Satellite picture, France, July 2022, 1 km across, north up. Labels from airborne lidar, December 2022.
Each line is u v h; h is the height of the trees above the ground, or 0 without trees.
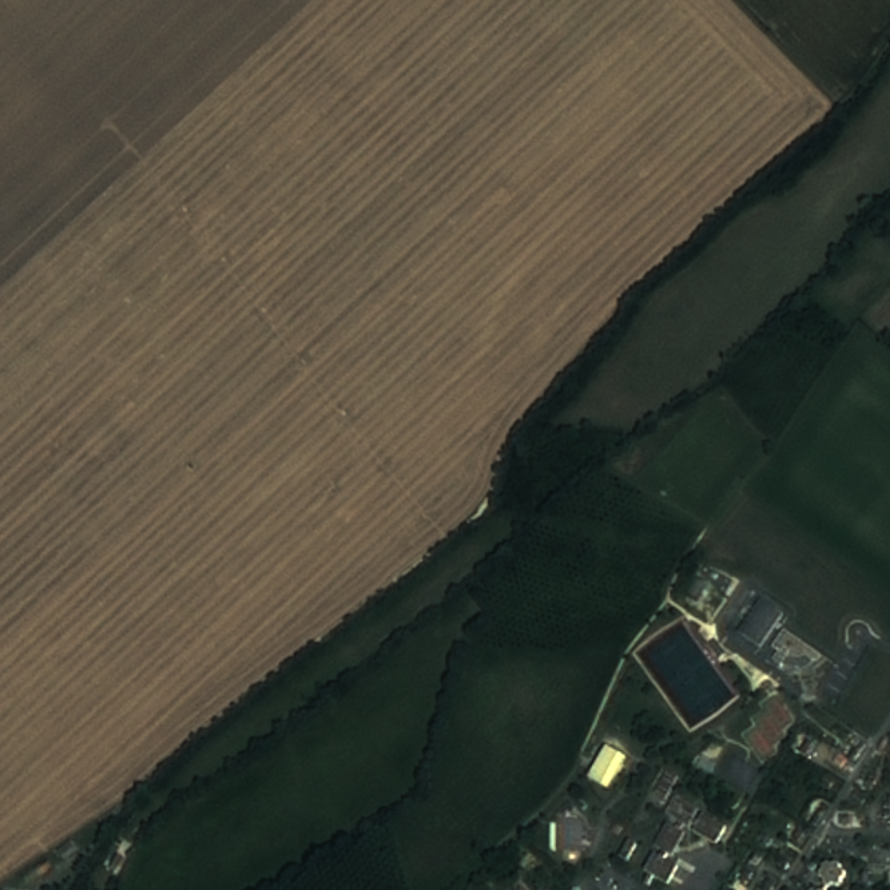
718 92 0
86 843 0
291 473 0
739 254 0
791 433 0
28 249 0
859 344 0
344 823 0
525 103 0
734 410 0
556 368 0
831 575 0
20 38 0
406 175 0
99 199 0
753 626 0
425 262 0
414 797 12
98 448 0
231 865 0
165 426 0
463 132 0
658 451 0
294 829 0
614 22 0
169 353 0
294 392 0
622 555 0
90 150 0
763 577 0
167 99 0
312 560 0
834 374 0
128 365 0
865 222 17
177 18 0
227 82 0
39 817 0
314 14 0
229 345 0
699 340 0
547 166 0
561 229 0
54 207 0
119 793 0
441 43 0
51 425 0
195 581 0
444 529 0
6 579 0
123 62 0
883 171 0
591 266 0
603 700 0
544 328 0
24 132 0
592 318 0
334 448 0
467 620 0
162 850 0
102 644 0
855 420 0
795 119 0
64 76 0
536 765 0
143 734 0
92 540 0
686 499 0
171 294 0
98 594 0
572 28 0
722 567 0
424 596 0
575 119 0
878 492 0
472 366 0
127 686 0
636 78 0
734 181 0
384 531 0
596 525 0
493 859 19
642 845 10
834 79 0
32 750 0
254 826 0
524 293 0
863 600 0
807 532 0
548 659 0
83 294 0
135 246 0
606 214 0
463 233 0
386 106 0
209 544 0
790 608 0
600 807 8
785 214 0
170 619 0
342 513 0
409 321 0
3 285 0
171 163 0
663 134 0
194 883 0
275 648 0
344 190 0
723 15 0
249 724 0
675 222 0
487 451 0
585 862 8
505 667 0
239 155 0
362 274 0
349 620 13
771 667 0
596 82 0
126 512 0
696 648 0
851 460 0
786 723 0
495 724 0
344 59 0
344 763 0
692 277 0
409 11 0
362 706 0
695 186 0
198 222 0
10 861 0
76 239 0
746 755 0
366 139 0
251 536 0
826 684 0
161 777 12
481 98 0
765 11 0
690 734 0
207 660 0
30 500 0
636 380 0
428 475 0
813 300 17
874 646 0
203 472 0
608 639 0
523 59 0
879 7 0
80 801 0
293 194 0
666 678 0
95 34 0
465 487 0
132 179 0
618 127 0
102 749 0
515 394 0
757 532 0
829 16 0
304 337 0
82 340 0
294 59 0
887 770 8
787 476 0
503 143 0
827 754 0
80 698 0
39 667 0
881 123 0
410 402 0
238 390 0
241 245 0
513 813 0
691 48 0
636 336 0
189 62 0
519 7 0
